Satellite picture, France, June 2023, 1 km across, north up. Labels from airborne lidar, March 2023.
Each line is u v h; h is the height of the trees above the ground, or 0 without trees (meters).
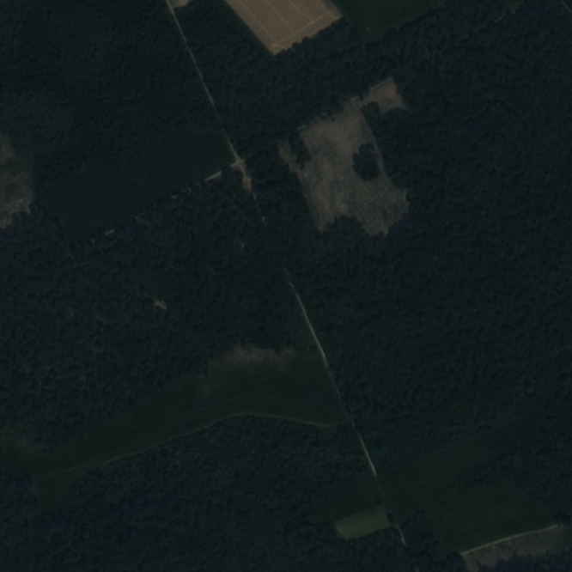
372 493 0
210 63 17
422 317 16
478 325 12
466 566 16
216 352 6
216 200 24
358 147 0
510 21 25
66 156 7
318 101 18
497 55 24
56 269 27
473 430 9
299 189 14
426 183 23
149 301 16
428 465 0
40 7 16
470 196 16
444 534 0
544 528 0
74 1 16
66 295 24
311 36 0
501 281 11
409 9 0
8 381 23
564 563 19
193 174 0
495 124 27
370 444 7
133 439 0
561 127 23
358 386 9
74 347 27
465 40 11
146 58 10
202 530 26
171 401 0
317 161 0
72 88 9
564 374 21
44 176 13
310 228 21
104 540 24
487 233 24
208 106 8
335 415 0
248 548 27
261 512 25
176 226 21
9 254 24
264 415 0
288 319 9
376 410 30
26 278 23
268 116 21
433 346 19
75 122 7
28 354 6
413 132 10
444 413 9
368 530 0
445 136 23
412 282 21
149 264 25
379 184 0
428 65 24
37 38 12
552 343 25
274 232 27
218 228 26
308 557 25
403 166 14
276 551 25
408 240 19
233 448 8
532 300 21
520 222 22
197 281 20
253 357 0
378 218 0
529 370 8
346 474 8
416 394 23
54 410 8
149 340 17
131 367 23
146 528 27
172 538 25
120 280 26
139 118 11
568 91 26
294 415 0
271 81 15
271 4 0
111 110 11
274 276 26
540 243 10
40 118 15
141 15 7
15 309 26
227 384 0
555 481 23
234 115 16
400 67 26
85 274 28
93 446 0
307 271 24
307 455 10
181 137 0
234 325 7
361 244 26
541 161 16
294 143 26
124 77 16
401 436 6
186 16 9
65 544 7
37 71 8
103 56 13
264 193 15
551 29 19
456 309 15
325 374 0
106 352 14
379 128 9
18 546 25
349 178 0
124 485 10
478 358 6
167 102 15
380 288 8
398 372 20
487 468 8
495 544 0
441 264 16
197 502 22
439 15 21
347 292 19
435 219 27
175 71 14
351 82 21
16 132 17
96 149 7
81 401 21
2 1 20
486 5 9
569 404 11
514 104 26
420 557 22
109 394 24
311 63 26
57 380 26
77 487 7
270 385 0
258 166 13
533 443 7
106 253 25
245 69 15
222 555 23
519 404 8
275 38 0
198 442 9
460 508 0
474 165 21
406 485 0
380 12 0
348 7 0
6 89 14
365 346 8
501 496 0
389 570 29
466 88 22
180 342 10
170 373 25
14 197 0
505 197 23
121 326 20
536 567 24
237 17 0
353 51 27
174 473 15
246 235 20
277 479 10
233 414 0
